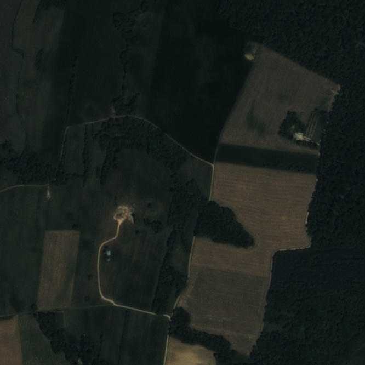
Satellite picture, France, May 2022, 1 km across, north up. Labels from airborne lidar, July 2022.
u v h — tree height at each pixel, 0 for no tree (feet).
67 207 0
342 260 48
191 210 31
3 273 0
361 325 52
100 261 0
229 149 0
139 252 0
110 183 0
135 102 55
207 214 75
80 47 0
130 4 0
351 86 66
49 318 55
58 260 0
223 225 67
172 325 47
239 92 0
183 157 34
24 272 0
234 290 0
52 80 0
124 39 31
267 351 53
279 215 0
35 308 38
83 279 0
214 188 0
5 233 0
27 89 0
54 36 0
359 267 33
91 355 65
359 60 72
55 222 0
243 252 0
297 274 29
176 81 0
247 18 48
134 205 0
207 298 0
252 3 52
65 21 0
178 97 0
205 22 0
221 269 0
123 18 54
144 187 0
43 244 0
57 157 0
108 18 0
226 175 0
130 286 0
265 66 0
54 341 46
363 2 85
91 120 0
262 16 28
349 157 101
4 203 0
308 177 0
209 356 0
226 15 37
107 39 0
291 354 75
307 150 0
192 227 0
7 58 0
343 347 61
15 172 43
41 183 35
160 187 0
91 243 0
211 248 0
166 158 66
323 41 75
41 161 31
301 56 77
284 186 0
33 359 0
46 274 0
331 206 82
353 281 35
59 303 0
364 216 73
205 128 0
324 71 29
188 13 0
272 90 0
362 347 0
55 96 0
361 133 88
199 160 0
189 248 29
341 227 60
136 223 31
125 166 0
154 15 0
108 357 0
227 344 53
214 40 0
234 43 0
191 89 0
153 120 0
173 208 26
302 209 0
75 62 21
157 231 31
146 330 0
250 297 0
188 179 0
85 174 34
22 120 0
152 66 0
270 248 0
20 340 0
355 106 72
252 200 0
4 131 0
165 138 24
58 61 0
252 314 0
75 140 0
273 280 28
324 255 37
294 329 59
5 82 0
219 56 0
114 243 0
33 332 0
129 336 0
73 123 0
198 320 0
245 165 0
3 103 0
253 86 0
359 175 85
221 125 0
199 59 0
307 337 63
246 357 0
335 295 24
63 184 44
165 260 40
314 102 0
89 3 0
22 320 0
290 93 0
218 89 0
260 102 0
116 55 0
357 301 21
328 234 84
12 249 0
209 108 0
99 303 0
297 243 0
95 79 0
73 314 0
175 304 0
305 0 84
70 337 0
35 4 0
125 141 52
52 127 0
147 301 0
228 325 0
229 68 0
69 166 0
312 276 33
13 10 0
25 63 0
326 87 0
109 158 29
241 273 0
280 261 32
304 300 64
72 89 38
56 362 0
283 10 84
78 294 0
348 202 88
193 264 0
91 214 0
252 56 0
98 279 0
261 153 0
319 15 74
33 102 0
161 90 0
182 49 0
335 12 81
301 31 84
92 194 0
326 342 51
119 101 54
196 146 0
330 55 78
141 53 0
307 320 54
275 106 0
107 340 0
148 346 0
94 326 0
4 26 0
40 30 0
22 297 0
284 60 0
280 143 0
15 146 0
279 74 0
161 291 38
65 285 0
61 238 0
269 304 31
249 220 0
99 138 38
